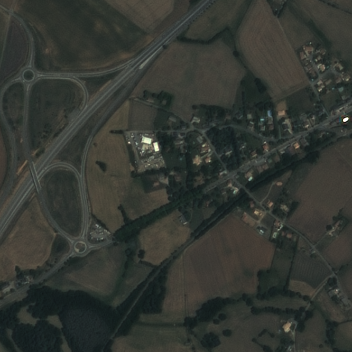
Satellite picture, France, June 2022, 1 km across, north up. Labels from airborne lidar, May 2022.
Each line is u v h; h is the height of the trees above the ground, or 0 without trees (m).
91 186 0
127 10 0
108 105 0
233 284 0
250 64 0
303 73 0
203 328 0
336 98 0
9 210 0
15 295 0
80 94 0
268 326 0
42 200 0
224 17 0
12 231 0
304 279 0
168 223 0
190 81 0
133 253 22
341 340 0
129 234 19
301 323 18
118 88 0
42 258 0
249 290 0
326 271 0
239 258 0
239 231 0
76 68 0
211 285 0
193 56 0
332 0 0
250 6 0
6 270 0
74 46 0
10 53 0
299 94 0
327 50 0
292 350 0
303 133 0
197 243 0
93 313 21
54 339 18
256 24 0
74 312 23
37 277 0
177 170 11
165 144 14
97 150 0
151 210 0
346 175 0
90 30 0
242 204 9
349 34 0
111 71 0
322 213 0
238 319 0
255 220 0
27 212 0
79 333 23
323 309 0
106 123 0
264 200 0
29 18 0
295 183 0
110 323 23
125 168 0
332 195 0
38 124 0
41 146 0
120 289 0
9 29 0
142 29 0
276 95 0
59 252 0
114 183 0
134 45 0
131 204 0
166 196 0
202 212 0
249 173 0
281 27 0
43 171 0
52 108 0
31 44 0
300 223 0
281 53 0
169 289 0
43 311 22
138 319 11
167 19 0
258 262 0
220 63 0
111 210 0
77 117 0
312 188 0
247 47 0
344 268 9
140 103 0
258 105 17
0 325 18
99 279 0
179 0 0
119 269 0
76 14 0
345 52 0
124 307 18
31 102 0
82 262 0
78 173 0
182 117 0
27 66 0
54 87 0
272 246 0
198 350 0
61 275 0
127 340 0
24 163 0
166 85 0
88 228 0
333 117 0
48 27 0
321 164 0
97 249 0
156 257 0
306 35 0
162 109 7
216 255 0
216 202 9
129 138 0
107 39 0
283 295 16
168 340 0
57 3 0
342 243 0
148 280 7
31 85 0
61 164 0
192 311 0
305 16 0
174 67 0
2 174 0
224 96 0
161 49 0
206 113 8
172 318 0
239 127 0
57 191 0
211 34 0
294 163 16
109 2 0
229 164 15
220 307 18
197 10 0
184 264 0
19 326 22
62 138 0
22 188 0
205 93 0
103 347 15
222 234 0
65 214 0
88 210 0
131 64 0
